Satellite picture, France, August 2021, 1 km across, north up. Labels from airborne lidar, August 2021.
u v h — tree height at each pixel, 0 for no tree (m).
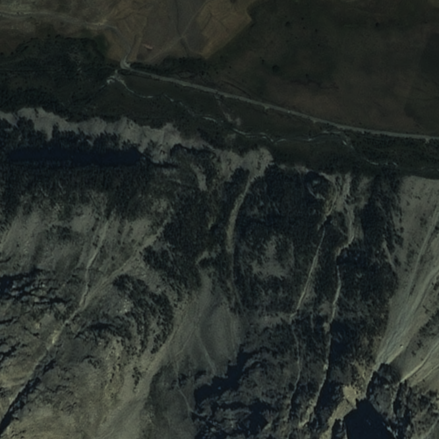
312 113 0
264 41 0
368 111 0
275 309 0
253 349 0
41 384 0
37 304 0
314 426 0
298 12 0
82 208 0
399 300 0
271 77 0
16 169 7
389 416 0
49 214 0
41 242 0
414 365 0
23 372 0
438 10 0
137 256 0
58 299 0
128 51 0
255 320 0
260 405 0
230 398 0
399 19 0
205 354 0
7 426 0
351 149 0
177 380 0
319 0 0
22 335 0
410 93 0
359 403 0
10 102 8
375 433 0
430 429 0
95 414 0
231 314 0
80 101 7
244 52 0
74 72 6
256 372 0
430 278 0
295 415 0
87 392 0
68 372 0
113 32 0
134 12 0
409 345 0
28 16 0
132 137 0
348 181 0
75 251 0
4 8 0
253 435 0
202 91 0
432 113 0
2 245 0
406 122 0
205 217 5
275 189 6
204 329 0
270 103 0
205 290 0
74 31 0
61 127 0
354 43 0
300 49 0
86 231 0
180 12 0
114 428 0
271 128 0
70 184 7
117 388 0
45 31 0
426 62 0
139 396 0
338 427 0
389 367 7
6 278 0
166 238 7
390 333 0
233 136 0
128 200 7
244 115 0
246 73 0
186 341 0
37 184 8
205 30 0
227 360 0
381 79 0
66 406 0
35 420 0
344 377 0
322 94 0
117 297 0
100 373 0
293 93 0
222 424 0
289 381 0
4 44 0
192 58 0
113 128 0
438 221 0
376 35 0
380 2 0
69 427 0
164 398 0
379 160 6
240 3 0
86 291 0
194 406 0
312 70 0
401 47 0
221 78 0
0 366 0
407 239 0
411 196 0
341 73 0
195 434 0
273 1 0
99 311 0
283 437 0
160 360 0
